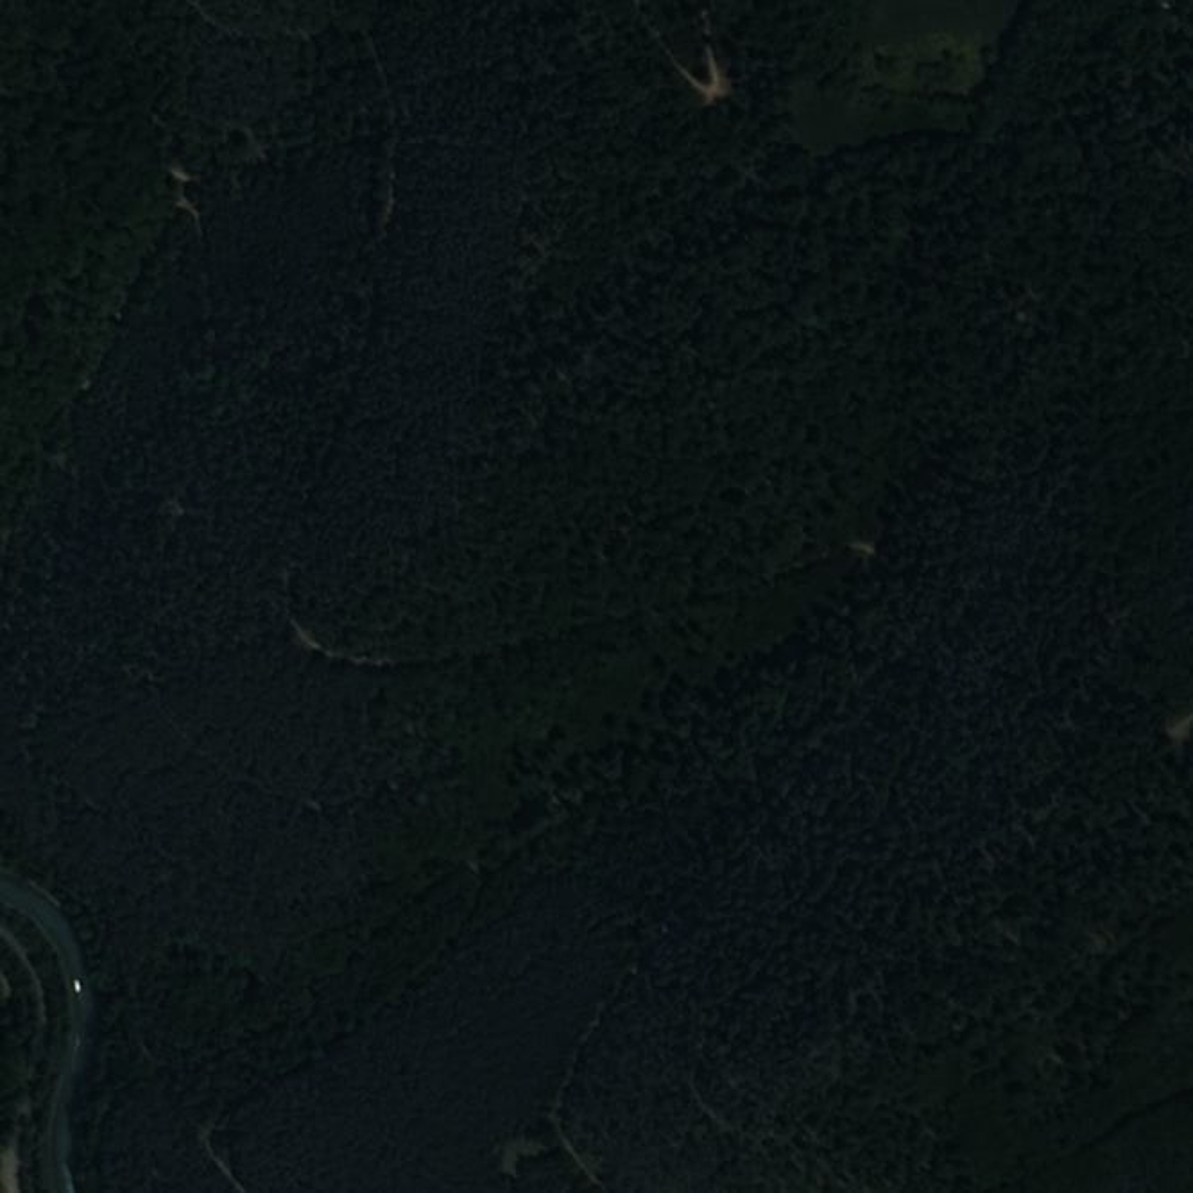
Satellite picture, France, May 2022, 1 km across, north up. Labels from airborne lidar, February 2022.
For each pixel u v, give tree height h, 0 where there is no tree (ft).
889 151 82
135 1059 87
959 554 79
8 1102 67
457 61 87
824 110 0
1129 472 47
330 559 54
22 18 64
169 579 89
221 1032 78
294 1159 87
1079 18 64
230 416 88
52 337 88
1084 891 94
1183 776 118
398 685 92
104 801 64
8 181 113
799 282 121
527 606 79
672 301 76
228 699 74
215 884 73
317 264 40
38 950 44
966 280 108
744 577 104
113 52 101
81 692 83
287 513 76
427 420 63
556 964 57
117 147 94
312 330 37
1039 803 93
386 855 81
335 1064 94
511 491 61
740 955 101
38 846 59
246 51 88
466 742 77
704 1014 106
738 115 93
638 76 102
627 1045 32
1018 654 99
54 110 108
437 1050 72
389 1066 73
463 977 77
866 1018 56
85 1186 67
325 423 88
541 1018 53
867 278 109
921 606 101
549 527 91
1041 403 39
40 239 110
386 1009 72
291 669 72
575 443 88
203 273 41
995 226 105
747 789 38
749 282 93
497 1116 55
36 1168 52
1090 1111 57
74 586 81
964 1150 69
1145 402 31
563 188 94
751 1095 61
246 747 69
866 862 106
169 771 72
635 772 114
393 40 81
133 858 72
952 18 0
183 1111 70
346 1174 68
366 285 29
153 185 109
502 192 67
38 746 59
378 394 65
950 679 95
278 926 76
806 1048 43
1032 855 91
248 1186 93
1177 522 28
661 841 42
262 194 39
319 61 85
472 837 61
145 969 76
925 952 68
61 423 38
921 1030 78
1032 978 95
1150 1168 52
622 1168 36
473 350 58
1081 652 69
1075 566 92
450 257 82
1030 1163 61
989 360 78
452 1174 69
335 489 97
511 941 66
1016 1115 57
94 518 34
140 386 40
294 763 73
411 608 55
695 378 104
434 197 86
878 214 107
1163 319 66
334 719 68
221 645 70
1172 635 25
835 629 119
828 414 105
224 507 79
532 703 81
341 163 40
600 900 45
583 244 28
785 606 45
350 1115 73
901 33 0
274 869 76
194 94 79
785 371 105
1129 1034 59
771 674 112
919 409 132
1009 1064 52
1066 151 118
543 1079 54
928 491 113
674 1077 24
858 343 108
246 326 24
